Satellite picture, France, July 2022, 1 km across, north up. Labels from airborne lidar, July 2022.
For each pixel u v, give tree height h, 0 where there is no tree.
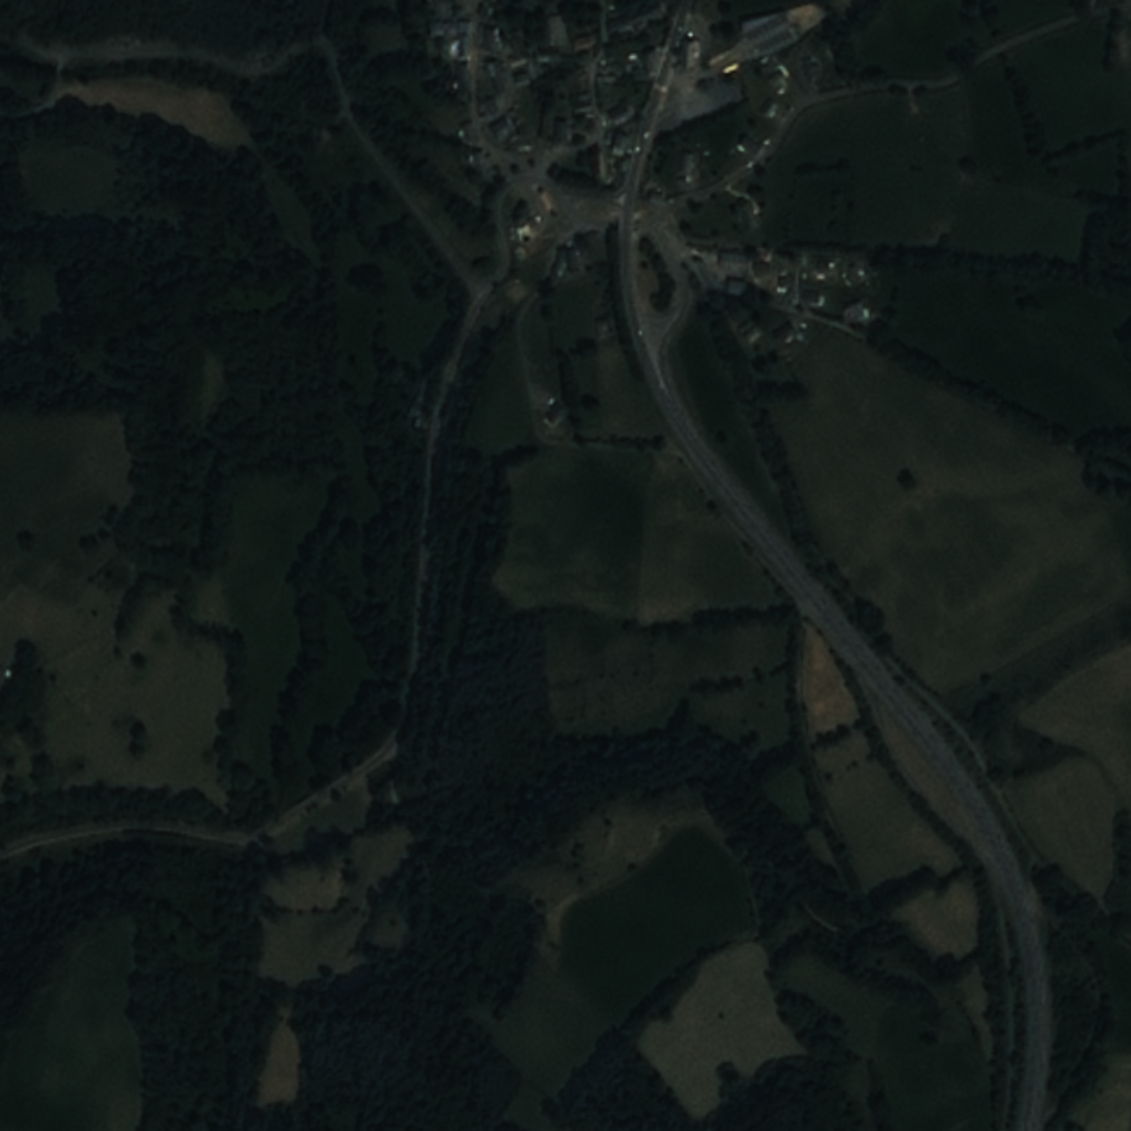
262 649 0
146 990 20
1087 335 0
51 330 23
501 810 22
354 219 16
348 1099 10
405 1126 7
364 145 0
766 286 0
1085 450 12
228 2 21
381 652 24
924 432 0
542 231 0
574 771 10
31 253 23
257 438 18
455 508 25
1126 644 0
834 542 0
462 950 12
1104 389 0
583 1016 0
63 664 0
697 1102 0
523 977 12
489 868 22
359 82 7
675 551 0
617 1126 25
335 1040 20
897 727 0
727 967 0
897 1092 0
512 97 0
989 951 7
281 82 15
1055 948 8
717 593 0
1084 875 0
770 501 0
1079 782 0
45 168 0
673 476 0
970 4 15
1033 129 13
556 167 8
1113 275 18
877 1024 0
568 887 0
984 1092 0
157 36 15
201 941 16
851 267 0
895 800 0
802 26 0
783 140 0
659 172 9
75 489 0
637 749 19
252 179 19
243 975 24
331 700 0
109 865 22
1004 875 0
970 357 0
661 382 0
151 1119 18
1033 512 0
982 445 0
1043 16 0
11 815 15
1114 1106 0
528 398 0
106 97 0
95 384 13
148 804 12
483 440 0
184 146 31
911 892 18
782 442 11
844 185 0
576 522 0
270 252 20
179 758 0
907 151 0
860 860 0
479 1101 19
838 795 0
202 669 0
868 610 17
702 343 0
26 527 0
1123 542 0
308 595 22
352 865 8
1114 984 0
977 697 0
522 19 11
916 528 0
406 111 19
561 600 0
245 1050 35
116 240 30
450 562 8
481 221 18
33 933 10
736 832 13
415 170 14
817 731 0
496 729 13
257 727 0
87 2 15
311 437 9
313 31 25
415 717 15
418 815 19
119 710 0
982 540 0
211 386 0
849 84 12
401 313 0
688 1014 0
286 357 6
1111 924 12
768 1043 0
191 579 21
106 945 0
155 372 23
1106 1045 14
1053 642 0
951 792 0
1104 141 6
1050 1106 0
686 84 0
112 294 34
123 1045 0
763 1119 15
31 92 0
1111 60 6
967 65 32
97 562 0
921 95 10
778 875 17
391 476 11
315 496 0
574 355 8
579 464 0
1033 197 0
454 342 15
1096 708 0
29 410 16
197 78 13
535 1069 0
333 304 18
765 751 0
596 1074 21
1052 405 0
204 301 18
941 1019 11
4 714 17
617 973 0
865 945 20
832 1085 17
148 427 27
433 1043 17
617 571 0
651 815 0
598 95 6
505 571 0
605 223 0
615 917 0
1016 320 0
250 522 0
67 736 0
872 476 0
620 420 0
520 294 0
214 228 15
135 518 22
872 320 0
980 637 0
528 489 0
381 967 10
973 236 0
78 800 22
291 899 0
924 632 0
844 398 0
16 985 17
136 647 0
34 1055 0
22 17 18
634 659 0
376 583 24
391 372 25
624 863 0
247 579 0
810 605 0
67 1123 0
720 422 0
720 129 0
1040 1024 0
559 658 0
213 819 19
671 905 0
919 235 0
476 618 14
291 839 0
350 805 0
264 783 8
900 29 0
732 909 0
